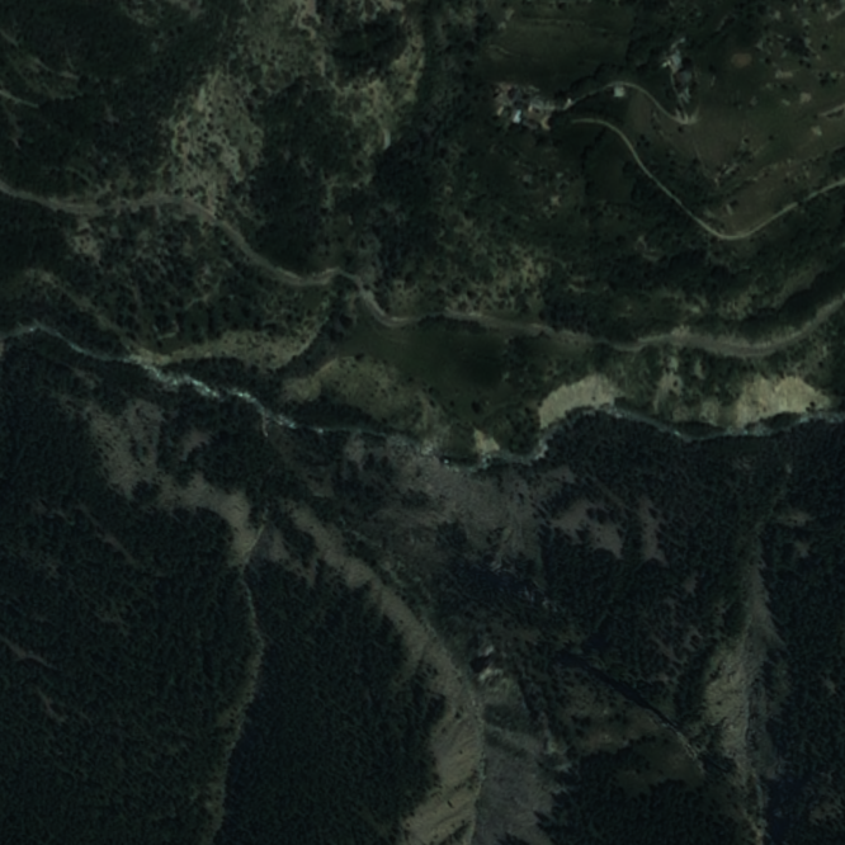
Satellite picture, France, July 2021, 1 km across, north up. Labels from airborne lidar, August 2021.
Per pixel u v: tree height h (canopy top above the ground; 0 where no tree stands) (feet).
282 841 64
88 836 94
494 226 24
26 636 81
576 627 24
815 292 38
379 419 0
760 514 18
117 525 70
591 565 48
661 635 63
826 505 69
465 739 0
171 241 45
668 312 0
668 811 64
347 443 21
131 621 63
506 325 0
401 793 84
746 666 0
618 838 47
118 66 37
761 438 25
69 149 24
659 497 62
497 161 0
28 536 20
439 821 0
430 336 0
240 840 42
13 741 56
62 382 56
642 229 23
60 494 70
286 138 23
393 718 68
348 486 58
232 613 71
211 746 52
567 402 0
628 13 0
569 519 0
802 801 36
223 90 0
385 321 0
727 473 21
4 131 43
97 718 64
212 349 0
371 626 45
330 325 26
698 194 40
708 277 48
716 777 45
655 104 0
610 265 28
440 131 24
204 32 19
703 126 0
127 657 77
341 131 18
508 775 0
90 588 52
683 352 20
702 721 23
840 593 26
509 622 25
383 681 74
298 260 35
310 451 21
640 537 26
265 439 21
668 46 51
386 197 61
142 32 24
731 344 0
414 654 0
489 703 0
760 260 20
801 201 28
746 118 0
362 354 23
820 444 49
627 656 107
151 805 69
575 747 52
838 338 21
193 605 105
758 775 0
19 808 73
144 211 34
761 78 0
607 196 0
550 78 0
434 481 0
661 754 0
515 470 20
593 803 43
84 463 60
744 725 0
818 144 0
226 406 28
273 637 20
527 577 37
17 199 26
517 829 0
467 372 0
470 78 31
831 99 0
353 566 0
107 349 56
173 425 37
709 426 24
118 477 0
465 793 0
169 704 74
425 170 28
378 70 32
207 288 25
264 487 28
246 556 0
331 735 76
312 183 39
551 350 0
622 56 0
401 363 0
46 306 51
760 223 0
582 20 0
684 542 22
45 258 36
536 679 31
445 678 0
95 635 75
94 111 50
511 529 0
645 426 31
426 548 0
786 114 0
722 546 56
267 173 31
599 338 29
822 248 21
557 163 0
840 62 0
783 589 78
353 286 24
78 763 66
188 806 60
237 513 0
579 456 56
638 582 39
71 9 37
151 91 23
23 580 97
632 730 0
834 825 61
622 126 30
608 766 52
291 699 61
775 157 0
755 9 30
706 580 71
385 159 43
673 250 22
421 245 36
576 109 42
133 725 82
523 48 0
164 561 78
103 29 32
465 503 0
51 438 66
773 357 29
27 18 36
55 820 92
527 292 23
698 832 53
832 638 58
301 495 37
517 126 40
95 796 74
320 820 70
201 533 71
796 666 69
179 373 30
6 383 27
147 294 50
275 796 62
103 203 30
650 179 44
